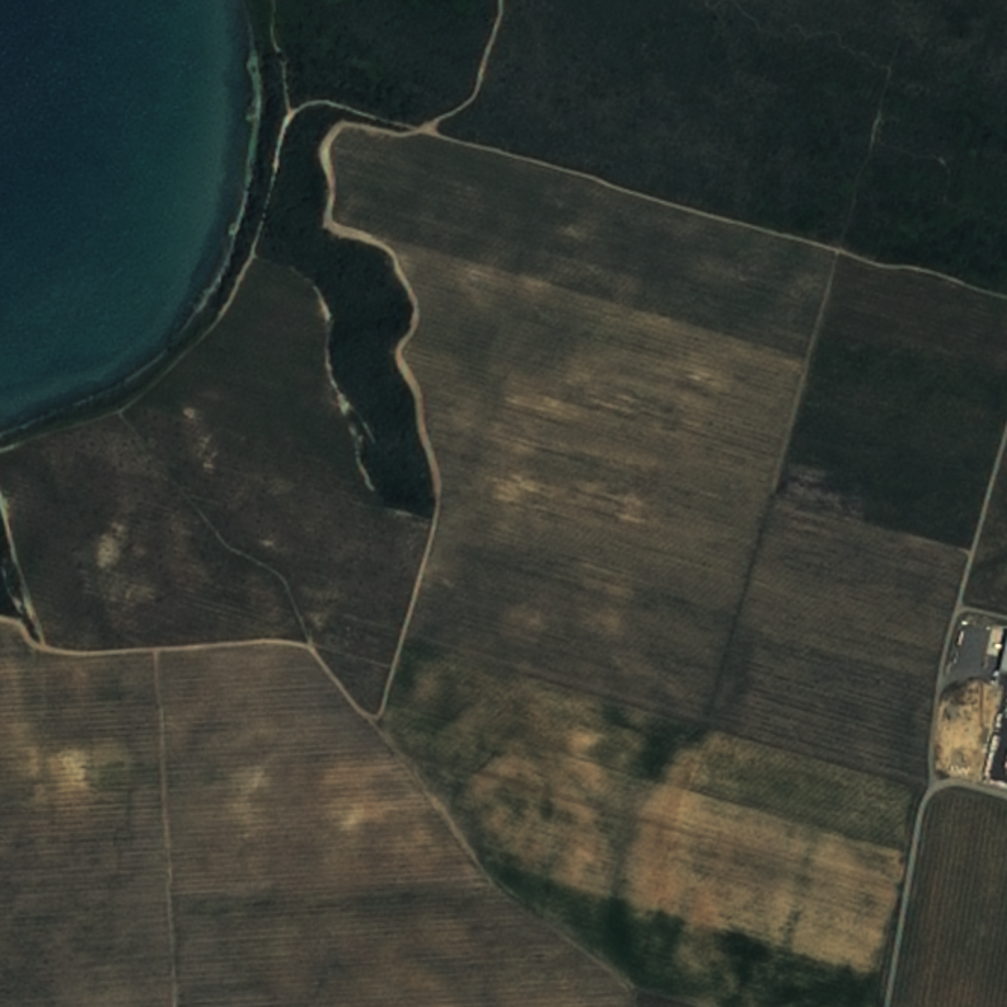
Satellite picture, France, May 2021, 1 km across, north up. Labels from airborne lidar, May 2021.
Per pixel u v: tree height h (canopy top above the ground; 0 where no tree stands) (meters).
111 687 0
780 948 0
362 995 0
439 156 0
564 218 0
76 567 0
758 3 0
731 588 0
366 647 0
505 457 0
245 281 0
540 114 0
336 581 0
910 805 0
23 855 0
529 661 0
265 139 6
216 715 0
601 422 0
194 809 0
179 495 0
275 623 0
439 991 0
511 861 0
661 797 0
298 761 0
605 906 0
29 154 0
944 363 0
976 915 0
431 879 0
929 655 0
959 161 0
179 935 0
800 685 0
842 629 0
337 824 0
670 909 0
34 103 0
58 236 0
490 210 0
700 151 0
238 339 0
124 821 0
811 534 0
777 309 0
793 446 0
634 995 0
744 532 0
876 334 0
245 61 0
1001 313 0
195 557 0
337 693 0
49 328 0
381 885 0
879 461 0
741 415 0
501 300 0
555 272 0
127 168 0
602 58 0
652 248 0
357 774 0
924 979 0
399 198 0
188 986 0
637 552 0
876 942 0
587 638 0
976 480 0
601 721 0
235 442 0
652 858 0
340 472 0
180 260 0
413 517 0
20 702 0
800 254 0
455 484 0
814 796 0
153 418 0
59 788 0
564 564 0
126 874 0
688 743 0
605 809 0
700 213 0
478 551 0
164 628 0
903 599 0
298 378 0
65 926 0
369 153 0
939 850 0
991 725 0
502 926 0
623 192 0
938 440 0
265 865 0
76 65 0
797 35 0
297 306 0
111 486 0
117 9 0
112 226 0
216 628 0
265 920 0
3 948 0
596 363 0
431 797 0
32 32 0
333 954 0
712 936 0
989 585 0
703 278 0
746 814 0
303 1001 0
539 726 0
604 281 0
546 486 0
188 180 0
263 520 0
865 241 0
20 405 0
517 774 0
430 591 0
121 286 0
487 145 0
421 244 0
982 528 0
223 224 0
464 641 0
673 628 0
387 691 0
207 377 0
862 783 0
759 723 0
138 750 0
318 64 7
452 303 0
